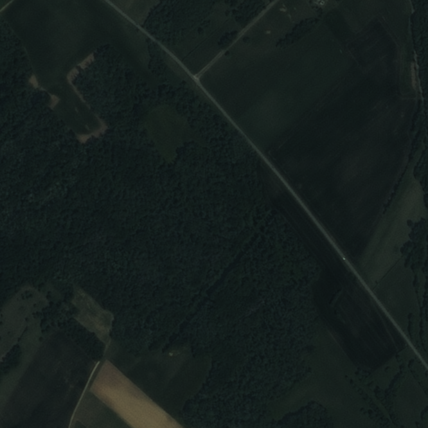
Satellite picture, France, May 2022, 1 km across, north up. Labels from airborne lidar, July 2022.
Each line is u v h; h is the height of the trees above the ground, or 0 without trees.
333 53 0
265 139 0
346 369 0
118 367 0
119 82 20
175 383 0
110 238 16
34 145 23
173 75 13
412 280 0
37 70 0
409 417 0
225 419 22
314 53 0
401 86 0
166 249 23
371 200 0
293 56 0
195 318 22
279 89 0
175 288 24
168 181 26
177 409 0
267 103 0
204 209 25
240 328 24
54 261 8
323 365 0
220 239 27
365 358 0
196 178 23
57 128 16
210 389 24
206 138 10
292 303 24
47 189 26
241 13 6
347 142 0
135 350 13
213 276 19
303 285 26
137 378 0
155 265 20
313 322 7
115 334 15
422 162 7
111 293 17
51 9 0
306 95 0
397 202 0
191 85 0
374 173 0
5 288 9
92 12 0
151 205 19
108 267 21
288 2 0
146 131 21
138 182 23
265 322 27
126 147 18
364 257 0
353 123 0
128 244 20
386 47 0
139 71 0
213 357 9
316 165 0
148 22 5
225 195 19
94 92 17
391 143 0
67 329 12
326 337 0
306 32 13
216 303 26
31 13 0
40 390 0
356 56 0
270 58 0
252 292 23
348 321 0
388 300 0
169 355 0
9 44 24
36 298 0
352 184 0
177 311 25
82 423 0
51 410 0
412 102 0
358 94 0
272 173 0
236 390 25
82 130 0
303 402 0
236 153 23
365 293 0
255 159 16
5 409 0
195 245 26
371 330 0
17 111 19
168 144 0
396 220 0
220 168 23
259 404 29
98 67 13
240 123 0
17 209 25
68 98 0
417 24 17
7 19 0
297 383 15
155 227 16
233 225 26
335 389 0
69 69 0
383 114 0
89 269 12
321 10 9
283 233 28
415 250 18
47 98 25
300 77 0
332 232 0
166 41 19
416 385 0
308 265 24
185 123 0
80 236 20
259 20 0
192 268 22
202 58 0
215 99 0
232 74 0
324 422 16
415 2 15
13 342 0
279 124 0
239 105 0
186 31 8
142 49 0
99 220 19
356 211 0
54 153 20
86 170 19
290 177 0
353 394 0
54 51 0
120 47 0
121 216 14
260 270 28
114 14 0
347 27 0
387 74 0
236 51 0
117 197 17
